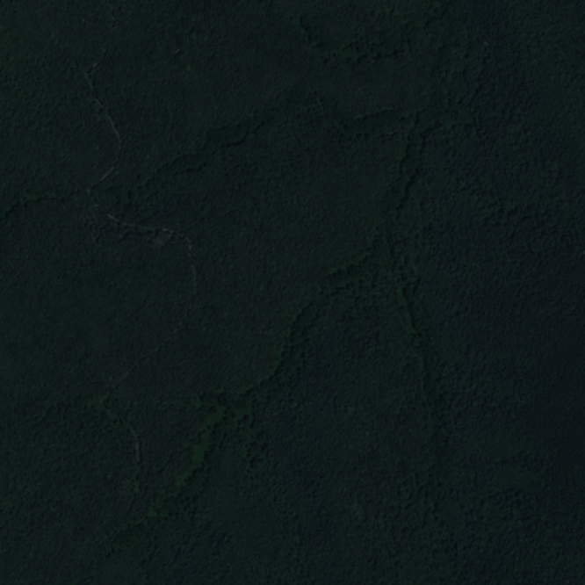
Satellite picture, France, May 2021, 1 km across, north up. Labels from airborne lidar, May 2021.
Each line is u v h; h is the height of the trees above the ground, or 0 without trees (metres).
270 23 11
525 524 14
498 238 10
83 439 9
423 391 11
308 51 18
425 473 15
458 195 8
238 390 18
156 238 13
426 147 15
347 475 9
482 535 8
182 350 13
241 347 9
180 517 9
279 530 6
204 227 13
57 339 12
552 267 11
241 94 8
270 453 15
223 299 7
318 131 16
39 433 13
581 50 12
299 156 13
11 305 6
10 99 7
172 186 11
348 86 8
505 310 9
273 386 16
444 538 8
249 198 7
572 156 8
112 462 7
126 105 12
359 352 16
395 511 15
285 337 12
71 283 8
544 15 18
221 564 7
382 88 6
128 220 16
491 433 8
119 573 8
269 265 9
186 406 9
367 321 15
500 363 12
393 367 11
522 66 9
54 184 16
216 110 7
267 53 11
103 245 15
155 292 9
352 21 7
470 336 10
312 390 7
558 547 12
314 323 11
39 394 8
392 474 15
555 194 9
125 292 6
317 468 7
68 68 12
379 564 21
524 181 8
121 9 12
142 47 9
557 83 6
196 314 8
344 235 7
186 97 11
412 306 21
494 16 9
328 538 8
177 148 9
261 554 8
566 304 12
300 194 7
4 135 12
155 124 10
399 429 14
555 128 6
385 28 13
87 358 11
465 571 12
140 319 9
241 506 6
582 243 11
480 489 8
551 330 8
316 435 5
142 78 8
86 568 14
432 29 16
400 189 24
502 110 10
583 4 11
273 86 6
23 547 12
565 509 9
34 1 7
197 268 7
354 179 10
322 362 11
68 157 7
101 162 8
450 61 15
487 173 11
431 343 14
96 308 8
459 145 8
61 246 12
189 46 6
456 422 12
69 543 15
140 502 13
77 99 19
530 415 11
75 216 14
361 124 25
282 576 15
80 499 6
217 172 11
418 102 15
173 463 14
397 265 13
